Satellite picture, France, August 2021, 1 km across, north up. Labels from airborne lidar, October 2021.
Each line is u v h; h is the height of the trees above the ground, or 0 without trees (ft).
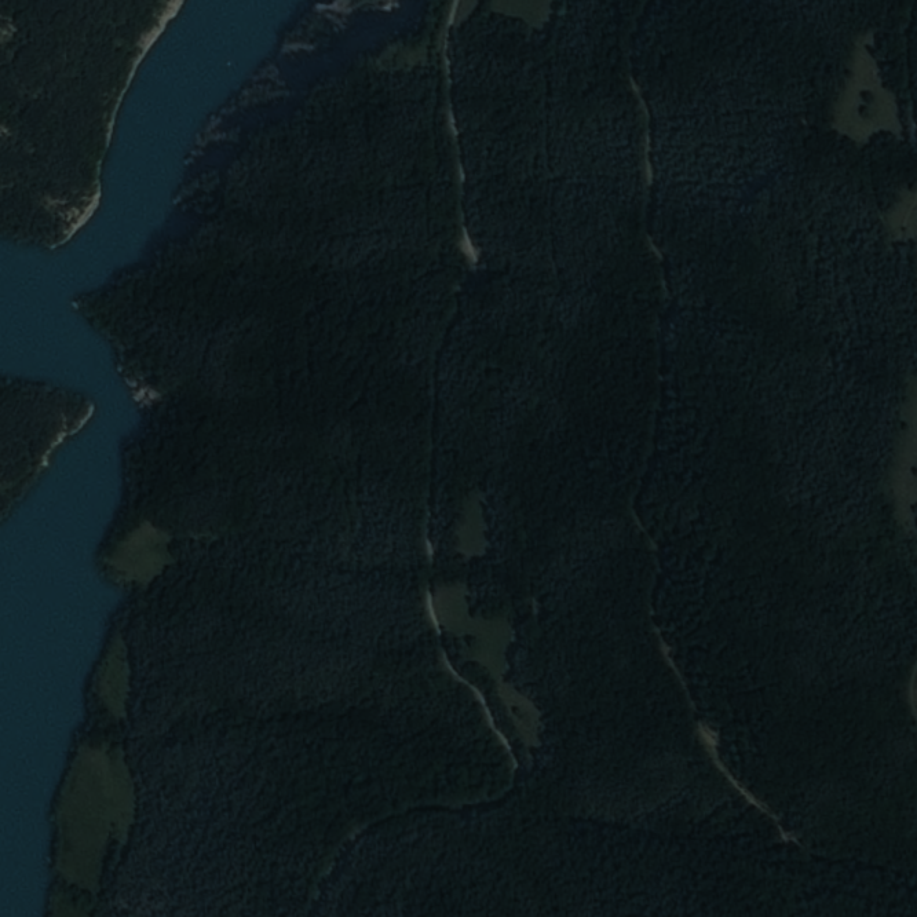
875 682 68
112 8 50
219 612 55
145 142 0
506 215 55
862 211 63
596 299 62
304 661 47
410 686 53
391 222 43
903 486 0
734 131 52
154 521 39
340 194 49
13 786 0
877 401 58
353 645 61
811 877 83
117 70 37
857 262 46
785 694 48
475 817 51
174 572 47
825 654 68
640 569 86
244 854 40
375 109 66
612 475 57
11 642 0
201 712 58
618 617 74
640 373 65
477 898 76
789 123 63
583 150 36
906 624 50
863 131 0
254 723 58
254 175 50
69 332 0
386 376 62
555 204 54
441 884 64
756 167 36
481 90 55
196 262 58
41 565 0
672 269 55
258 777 52
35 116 57
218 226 44
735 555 78
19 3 57
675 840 74
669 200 62
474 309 48
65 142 44
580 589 52
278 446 58
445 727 42
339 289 49
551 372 60
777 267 63
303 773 69
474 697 44
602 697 58
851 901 77
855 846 76
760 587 83
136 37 49
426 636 54
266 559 44
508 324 65
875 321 66
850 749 77
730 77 47
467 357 63
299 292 51
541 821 72
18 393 60
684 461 68
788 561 81
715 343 67
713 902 84
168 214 0
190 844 38
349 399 79
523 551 54
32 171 40
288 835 40
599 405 67
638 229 60
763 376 77
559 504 69
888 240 31
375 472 50
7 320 0
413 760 81
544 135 36
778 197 65
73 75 53
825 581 52
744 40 50
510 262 41
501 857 68
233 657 52
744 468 74
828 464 52
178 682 64
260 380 39
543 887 87
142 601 71
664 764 51
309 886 40
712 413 63
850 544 51
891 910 74
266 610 52
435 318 60
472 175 43
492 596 52
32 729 0
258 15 0
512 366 60
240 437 49
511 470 71
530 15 0
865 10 61
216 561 59
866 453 51
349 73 31
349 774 54
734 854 94
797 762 69
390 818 31
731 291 65
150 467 80
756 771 80
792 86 43
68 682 0
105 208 0
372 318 93
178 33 0
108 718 43
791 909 56
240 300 47
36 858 0
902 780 86
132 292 67
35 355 0
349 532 20
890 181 53
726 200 41
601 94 63
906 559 25
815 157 67
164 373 44
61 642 0
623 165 42
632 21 63
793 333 70
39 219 43
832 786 70
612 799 53
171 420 85
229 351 57
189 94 0
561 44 54
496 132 41
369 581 49
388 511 38
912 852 83
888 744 79
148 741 62
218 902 40
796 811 52
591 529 53
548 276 73
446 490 60
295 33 18
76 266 0
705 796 46
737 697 69
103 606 0
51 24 35
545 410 69
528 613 33
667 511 57
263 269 80
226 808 25
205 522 36
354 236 43
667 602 60
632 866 75
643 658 66
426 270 52
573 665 61
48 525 0
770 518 71
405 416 67
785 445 53
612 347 56
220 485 50
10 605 0
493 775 69
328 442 47
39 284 0
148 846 34
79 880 0
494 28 47
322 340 66
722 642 68
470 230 27
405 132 57
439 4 24
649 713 81
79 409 34
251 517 35
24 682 0
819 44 61
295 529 53
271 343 40
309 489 46
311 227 64
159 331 65
